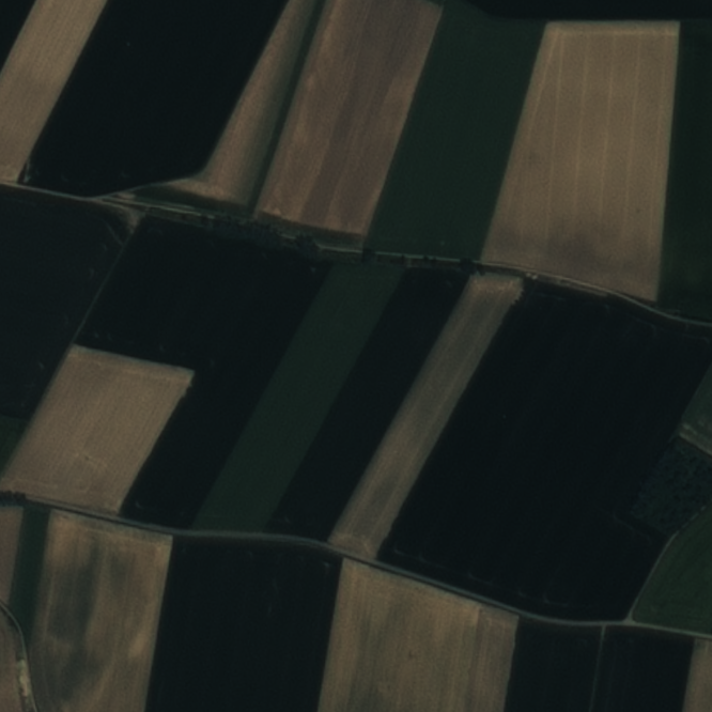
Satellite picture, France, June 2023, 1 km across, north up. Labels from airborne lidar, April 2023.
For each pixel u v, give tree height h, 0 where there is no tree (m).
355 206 0
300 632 0
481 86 0
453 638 0
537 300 0
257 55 0
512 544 0
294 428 0
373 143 0
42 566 0
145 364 0
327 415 0
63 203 0
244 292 0
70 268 0
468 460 0
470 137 0
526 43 0
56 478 0
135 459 0
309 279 0
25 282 0
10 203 0
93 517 0
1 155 0
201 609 0
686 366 0
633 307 0
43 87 0
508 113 0
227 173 0
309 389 0
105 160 0
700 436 0
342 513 0
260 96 0
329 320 0
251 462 0
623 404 0
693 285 0
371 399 0
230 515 0
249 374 0
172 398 0
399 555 0
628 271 0
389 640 0
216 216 0
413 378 0
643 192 0
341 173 0
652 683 0
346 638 0
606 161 0
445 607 0
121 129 0
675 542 0
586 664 0
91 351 0
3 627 0
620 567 0
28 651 0
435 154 0
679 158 0
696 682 0
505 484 0
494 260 0
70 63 0
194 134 0
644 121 0
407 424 0
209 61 0
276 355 0
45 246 0
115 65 0
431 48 0
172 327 0
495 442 0
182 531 0
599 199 0
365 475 0
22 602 0
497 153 0
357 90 0
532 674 0
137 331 0
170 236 0
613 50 0
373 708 0
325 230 0
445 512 0
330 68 0
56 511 0
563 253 0
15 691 0
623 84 0
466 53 0
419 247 0
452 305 0
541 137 0
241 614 0
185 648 0
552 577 0
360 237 0
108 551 0
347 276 0
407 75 0
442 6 0
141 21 0
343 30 0
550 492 0
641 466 0
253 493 0
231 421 0
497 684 0
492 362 0
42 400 0
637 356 0
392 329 0
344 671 0
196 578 0
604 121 0
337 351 0
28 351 0
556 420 0
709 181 0
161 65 0
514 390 0
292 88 0
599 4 0
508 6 0
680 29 0
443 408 0
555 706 0
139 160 0
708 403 0
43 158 0
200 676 0
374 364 0
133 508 0
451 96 0
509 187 0
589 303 0
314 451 0
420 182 0
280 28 0
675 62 0
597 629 0
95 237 0
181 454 0
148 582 0
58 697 0
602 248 0
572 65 0
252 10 0
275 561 0
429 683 0
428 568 0
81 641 0
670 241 0
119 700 0
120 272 0
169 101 0
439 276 0
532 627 0
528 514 0
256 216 0
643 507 13
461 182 0
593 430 0
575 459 0
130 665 0
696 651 0
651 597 0
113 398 0
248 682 0
